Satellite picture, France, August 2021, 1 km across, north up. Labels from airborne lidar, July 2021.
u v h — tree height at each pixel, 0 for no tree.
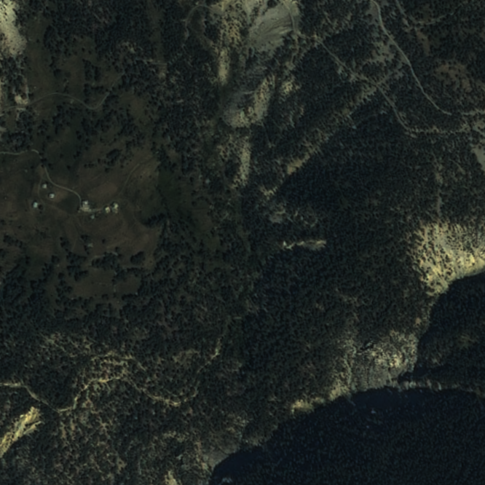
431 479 7
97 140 0
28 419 0
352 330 9
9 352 17
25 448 7
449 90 9
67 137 0
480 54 14
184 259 16
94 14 12
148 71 17
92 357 10
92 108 0
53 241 0
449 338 9
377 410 7
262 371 14
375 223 14
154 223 13
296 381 13
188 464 7
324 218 12
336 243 13
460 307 19
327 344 11
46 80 0
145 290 17
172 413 9
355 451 8
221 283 8
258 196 6
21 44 0
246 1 0
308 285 15
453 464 13
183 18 11
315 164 7
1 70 8
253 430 9
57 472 8
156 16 0
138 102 0
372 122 13
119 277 12
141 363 9
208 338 12
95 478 7
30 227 0
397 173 8
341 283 14
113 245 0
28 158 0
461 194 11
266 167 11
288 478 14
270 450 0
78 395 12
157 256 9
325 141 6
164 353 16
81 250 0
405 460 14
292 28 0
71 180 0
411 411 10
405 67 8
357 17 8
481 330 18
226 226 6
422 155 12
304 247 0
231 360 7
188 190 0
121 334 15
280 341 16
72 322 14
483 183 11
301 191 9
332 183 16
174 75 9
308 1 8
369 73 8
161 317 17
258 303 13
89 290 0
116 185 0
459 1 11
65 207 0
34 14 8
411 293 12
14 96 7
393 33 10
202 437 6
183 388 8
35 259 0
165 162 9
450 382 9
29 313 18
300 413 7
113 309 10
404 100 9
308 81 11
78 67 0
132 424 14
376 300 9
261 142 13
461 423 8
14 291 14
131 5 16
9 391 11
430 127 7
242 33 7
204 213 0
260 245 11
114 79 0
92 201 0
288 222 6
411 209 8
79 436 13
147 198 0
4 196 0
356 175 13
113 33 15
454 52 13
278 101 6
